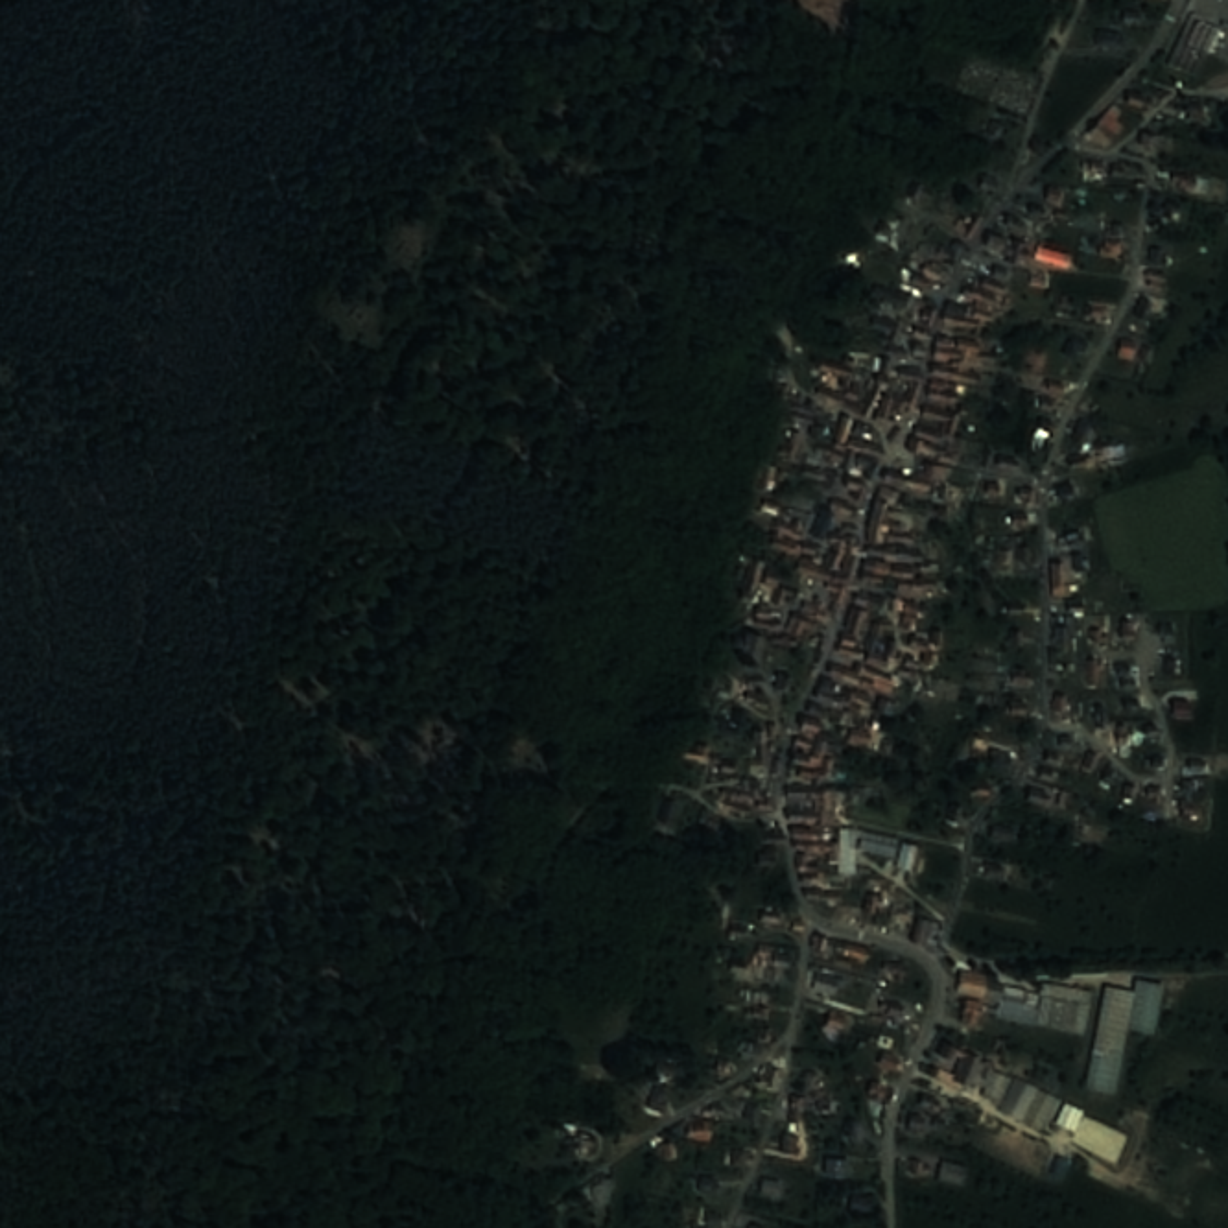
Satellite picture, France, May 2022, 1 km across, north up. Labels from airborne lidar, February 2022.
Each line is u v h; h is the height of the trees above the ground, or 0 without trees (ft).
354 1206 103
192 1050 32
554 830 91
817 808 0
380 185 90
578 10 81
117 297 92
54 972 53
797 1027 0
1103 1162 0
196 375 63
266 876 27
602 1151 0
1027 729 33
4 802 103
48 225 92
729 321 88
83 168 83
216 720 47
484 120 79
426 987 105
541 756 0
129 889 94
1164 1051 0
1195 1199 0
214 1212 94
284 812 80
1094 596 0
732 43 98
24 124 81
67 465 62
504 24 90
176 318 72
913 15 97
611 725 77
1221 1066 0
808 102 96
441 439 106
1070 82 0
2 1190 28
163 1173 82
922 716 35
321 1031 102
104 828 79
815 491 0
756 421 57
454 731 102
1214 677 0
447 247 51
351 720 96
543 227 92
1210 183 0
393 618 110
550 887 73
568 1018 0
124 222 94
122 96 89
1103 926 0
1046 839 21
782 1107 0
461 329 104
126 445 70
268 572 61
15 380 91
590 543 106
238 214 63
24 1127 33
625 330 86
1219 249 0
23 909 115
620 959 0
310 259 59
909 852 0
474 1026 102
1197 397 0
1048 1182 0
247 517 60
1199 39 0
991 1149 0
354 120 62
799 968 0
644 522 93
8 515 76
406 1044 110
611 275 103
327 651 102
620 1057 72
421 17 87
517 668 100
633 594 83
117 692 69
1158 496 0
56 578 78
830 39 111
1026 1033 0
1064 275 0
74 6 83
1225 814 0
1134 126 0
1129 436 0
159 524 67
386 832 88
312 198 85
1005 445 0
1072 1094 0
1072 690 0
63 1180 29
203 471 64
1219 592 0
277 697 86
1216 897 0
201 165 64
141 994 36
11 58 74
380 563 96
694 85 106
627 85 69
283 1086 90
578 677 94
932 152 49
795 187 96
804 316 62
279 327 66
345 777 94
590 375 94
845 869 0
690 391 98
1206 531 0
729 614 35
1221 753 0
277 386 46
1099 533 0
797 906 39
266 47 71
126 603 66
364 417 85
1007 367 19
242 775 84
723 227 91
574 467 104
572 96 100
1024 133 0
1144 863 0
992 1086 0
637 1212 37
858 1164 0
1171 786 0
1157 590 0
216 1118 84
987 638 0
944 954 0
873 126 86
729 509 73
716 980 0
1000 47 73
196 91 76
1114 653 0
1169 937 0
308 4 36
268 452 52
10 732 67
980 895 0
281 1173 96
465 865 110
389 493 100
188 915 74
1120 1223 0
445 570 113
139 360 69
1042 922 0
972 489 0
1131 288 0
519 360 104
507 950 82
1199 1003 0
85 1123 58
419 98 99
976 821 0
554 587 101
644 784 38
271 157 68
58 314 83
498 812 88
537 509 105
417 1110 91
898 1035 0
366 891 97
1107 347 0
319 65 59
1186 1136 0
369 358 53
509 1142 68
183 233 83
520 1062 76
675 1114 0
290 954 98
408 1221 89
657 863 63
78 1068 46
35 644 69
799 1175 0
